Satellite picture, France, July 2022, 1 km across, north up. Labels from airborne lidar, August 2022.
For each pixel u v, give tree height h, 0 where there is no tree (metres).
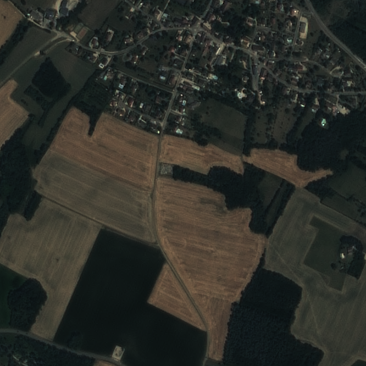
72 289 0
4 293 0
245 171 10
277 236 0
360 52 14
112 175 0
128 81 8
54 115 0
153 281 0
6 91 0
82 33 0
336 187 0
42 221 0
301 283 0
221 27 18
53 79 22
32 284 19
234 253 0
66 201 0
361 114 16
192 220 0
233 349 12
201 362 0
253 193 14
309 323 0
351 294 0
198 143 10
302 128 0
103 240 0
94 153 0
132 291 0
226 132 0
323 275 0
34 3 0
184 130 0
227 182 21
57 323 0
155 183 0
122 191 0
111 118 0
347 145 18
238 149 0
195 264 0
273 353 10
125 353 0
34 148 0
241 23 7
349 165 7
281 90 8
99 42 11
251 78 8
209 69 12
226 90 7
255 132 8
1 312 0
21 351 8
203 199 0
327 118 21
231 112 0
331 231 0
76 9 12
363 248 10
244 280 0
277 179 0
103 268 0
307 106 13
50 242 0
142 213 0
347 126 13
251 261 0
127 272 0
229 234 0
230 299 0
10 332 0
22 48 0
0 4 0
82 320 0
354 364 0
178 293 0
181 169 10
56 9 0
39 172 0
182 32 0
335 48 5
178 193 0
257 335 21
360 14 20
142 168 0
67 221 0
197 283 0
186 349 0
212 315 0
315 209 0
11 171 11
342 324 0
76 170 0
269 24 8
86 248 0
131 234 0
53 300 0
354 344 0
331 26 7
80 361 18
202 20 0
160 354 0
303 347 11
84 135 0
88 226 0
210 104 0
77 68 0
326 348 0
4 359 0
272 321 19
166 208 0
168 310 0
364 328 0
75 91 0
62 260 0
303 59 0
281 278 16
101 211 0
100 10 0
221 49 0
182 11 0
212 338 0
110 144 0
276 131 0
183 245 0
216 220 0
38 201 15
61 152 0
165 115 0
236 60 6
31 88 8
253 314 16
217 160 0
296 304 15
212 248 0
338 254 0
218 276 0
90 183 0
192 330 0
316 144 12
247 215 0
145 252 0
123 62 0
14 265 0
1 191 15
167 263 0
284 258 0
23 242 0
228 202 15
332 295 0
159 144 0
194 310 0
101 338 0
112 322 0
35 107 0
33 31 0
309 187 9
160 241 0
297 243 0
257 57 0
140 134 0
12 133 0
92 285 0
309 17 0
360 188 0
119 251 0
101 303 0
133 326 0
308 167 14
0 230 8
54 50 0
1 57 7
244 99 15
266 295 17
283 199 6
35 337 0
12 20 0
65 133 0
